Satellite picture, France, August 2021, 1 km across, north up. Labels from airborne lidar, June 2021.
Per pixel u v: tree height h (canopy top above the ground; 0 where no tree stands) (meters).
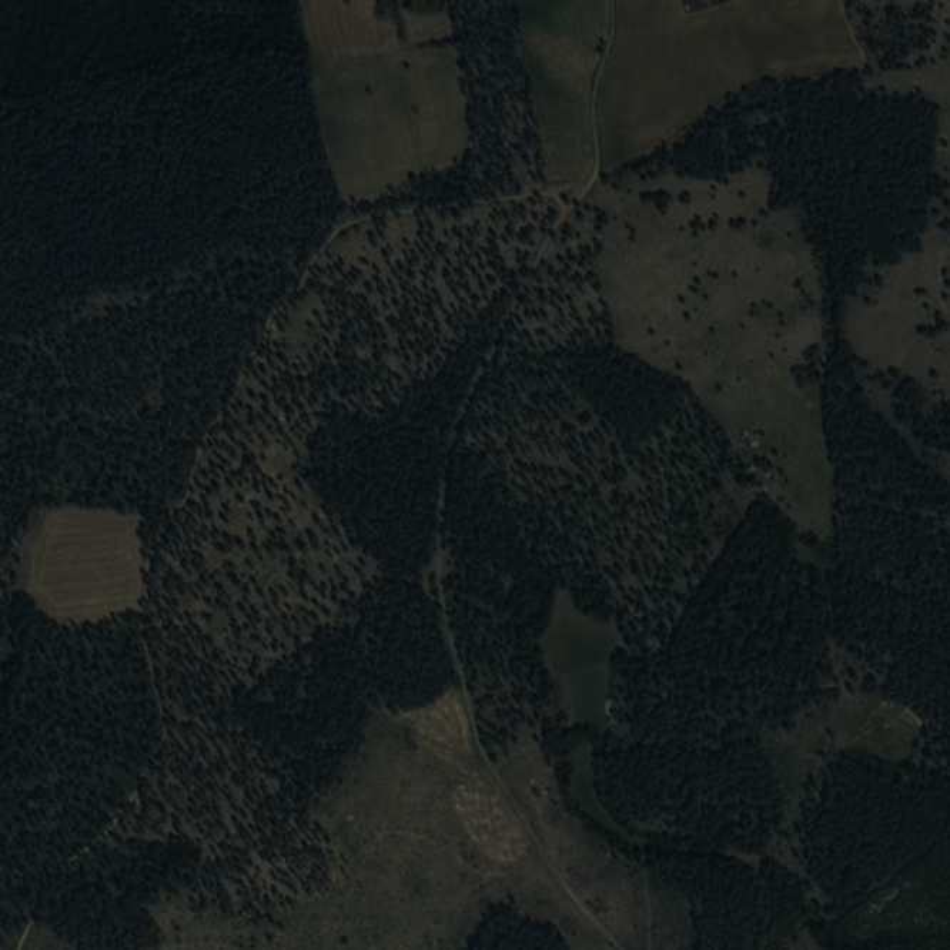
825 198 15
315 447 24
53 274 17
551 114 0
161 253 18
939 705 17
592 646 0
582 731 12
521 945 17
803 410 0
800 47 0
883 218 21
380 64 0
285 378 11
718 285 0
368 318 14
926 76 0
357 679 14
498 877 0
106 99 18
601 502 20
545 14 0
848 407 13
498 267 15
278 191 17
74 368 12
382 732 0
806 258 0
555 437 16
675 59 0
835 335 6
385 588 15
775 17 0
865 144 22
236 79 21
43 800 20
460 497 23
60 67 12
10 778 22
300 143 14
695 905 21
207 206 18
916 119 18
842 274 13
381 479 21
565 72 0
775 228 0
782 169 14
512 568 11
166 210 21
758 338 0
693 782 17
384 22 0
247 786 15
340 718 17
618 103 0
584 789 0
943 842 11
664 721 20
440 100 0
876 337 0
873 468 19
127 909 19
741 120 12
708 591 12
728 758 17
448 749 0
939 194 13
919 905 7
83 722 23
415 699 15
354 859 0
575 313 17
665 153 14
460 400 16
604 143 0
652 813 11
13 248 20
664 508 18
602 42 10
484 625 16
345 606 15
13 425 10
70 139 21
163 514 18
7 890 17
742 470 9
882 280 11
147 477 15
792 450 0
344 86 0
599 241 7
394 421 14
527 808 0
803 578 8
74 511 0
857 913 7
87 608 0
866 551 18
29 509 20
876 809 21
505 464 16
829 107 19
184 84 17
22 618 17
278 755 17
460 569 10
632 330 0
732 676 11
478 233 16
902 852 17
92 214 18
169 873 18
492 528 15
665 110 0
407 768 0
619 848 9
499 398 18
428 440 14
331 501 20
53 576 0
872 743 0
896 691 18
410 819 0
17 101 19
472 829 0
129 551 0
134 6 10
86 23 11
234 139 21
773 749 0
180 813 18
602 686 0
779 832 16
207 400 10
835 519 7
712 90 0
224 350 16
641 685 22
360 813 0
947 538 12
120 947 18
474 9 17
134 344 16
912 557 15
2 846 15
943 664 23
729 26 0
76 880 12
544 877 0
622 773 21
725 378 0
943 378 0
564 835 0
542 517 14
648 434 23
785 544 13
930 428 7
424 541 18
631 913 0
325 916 0
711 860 10
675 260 0
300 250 12
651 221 0
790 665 20
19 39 12
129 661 16
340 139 0
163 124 22
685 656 12
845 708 0
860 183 22
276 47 15
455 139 0
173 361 6
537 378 20
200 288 10
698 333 0
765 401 0
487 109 16
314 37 0
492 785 0
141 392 16
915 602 17
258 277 16
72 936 17
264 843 14
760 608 13
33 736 19
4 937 20
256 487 10
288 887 14
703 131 14
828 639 14
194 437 8
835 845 20
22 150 20
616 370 19
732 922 20
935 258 0
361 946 0
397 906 0
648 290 0
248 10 8
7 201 21
